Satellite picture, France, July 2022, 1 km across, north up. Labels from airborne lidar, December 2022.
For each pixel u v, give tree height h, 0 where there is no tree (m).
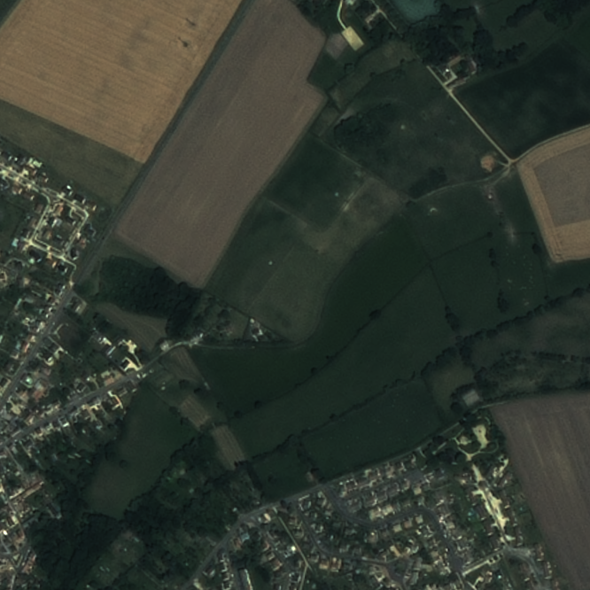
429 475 0
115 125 0
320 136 0
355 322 0
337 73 0
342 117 0
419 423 0
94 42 0
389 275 0
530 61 0
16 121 0
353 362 0
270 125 0
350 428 0
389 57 0
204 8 0
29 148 0
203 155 0
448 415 0
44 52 0
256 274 0
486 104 0
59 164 0
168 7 0
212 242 0
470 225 0
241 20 0
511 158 0
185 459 12
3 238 0
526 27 0
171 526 18
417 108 0
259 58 0
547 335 0
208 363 0
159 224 0
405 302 0
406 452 0
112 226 0
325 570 0
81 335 0
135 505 14
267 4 0
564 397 0
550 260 0
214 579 9
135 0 0
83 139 0
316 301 0
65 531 7
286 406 0
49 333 0
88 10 0
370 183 0
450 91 0
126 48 0
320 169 0
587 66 0
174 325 9
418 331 0
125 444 0
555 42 0
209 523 7
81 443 0
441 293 0
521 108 0
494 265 12
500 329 10
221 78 0
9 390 0
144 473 0
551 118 0
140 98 0
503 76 0
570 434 0
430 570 0
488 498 0
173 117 0
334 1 11
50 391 7
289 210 0
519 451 0
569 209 0
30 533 11
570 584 0
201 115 0
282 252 0
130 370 0
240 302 0
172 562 17
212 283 0
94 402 0
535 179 0
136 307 11
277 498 0
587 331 0
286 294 0
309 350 0
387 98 0
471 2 0
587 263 0
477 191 0
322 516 7
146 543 11
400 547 0
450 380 0
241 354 0
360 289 0
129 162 0
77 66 0
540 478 0
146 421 0
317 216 0
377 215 0
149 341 0
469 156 0
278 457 0
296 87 0
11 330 6
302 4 6
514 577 0
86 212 0
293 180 0
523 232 0
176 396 0
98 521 22
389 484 0
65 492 6
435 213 0
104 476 0
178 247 0
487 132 0
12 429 0
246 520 0
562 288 0
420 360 0
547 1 19
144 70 0
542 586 0
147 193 0
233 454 0
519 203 0
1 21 0
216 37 0
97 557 15
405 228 0
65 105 0
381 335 0
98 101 0
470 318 0
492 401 8
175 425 0
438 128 0
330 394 0
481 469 6
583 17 0
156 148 0
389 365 0
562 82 0
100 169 0
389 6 13
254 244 0
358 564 9
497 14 0
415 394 0
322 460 0
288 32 0
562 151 0
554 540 0
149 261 0
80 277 0
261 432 0
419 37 21
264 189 0
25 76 0
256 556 8
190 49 0
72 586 17
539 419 0
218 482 12
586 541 0
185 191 0
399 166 0
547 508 0
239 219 0
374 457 0
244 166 0
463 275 0
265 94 0
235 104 0
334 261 0
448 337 0
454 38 11
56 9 0
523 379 0
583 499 0
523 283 0
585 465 0
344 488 0
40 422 0
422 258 0
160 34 0
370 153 0
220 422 0
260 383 0
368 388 0
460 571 0
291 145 0
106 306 0
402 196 0
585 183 0
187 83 0
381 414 0
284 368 0
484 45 22
